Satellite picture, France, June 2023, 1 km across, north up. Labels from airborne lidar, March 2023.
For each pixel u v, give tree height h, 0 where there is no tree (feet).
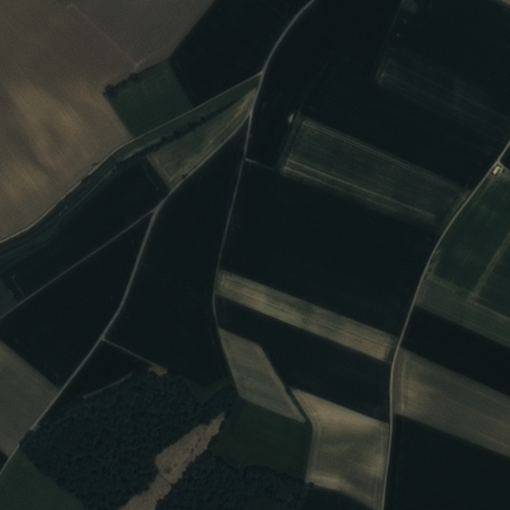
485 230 0
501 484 0
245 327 0
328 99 0
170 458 0
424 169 0
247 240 0
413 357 0
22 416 0
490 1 0
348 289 0
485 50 0
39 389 0
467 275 0
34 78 0
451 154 0
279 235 0
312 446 0
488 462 0
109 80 0
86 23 0
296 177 0
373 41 0
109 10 0
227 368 0
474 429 0
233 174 0
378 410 0
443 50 0
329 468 0
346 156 0
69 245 0
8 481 0
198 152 0
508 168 0
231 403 54
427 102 0
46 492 0
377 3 0
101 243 0
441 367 0
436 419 0
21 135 0
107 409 91
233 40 0
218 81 0
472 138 0
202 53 0
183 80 0
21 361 0
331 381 0
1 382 0
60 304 0
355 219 0
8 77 0
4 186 0
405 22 0
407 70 0
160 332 0
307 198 0
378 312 0
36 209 0
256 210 0
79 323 0
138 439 89
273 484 78
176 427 67
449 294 0
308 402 0
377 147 0
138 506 0
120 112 0
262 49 0
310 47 0
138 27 0
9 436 0
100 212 0
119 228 0
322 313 0
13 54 0
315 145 0
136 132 0
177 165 0
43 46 0
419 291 0
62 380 0
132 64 0
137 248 0
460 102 0
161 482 0
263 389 0
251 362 0
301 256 0
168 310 0
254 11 0
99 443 103
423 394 0
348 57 0
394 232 0
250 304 0
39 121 0
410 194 0
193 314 0
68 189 0
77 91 0
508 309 0
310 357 0
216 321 0
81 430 96
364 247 0
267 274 0
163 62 0
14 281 0
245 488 87
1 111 0
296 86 0
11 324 0
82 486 72
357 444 0
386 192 0
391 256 0
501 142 0
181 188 0
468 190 0
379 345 0
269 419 0
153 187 0
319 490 0
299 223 0
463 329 0
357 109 0
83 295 0
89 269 0
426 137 0
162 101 0
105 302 0
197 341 0
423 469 0
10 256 0
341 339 0
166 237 0
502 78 0
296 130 0
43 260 0
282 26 0
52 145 0
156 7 0
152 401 93
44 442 71
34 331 0
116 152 0
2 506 0
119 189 0
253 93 0
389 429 0
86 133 0
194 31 0
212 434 0
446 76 0
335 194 0
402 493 0
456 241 0
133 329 0
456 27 0
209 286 0
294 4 0
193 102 0
